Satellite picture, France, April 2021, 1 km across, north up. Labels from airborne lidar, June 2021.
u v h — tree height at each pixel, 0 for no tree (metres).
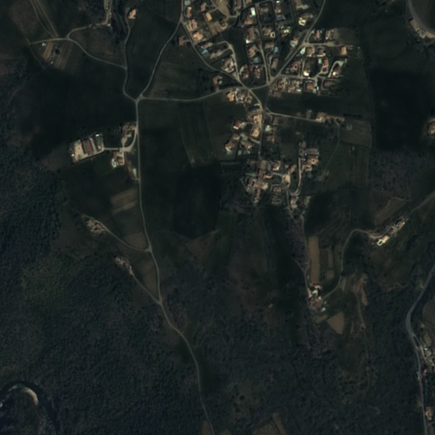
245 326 13
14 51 0
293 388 17
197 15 0
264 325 10
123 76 0
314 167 11
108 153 9
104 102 0
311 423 19
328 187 0
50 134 0
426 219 0
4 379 11
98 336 8
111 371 6
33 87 0
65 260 9
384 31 0
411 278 10
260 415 18
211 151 0
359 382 9
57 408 10
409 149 0
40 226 11
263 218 0
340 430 9
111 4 0
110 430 9
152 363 9
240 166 0
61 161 0
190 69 0
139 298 0
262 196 10
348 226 0
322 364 7
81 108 0
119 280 6
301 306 0
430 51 27
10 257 12
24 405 7
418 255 0
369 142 0
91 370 7
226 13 0
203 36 0
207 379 0
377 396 6
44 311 12
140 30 0
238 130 0
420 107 0
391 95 0
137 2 0
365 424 21
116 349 9
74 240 0
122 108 0
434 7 0
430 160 17
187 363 0
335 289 0
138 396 8
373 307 14
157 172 0
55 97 0
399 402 9
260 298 0
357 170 0
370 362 11
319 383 9
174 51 0
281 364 19
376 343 8
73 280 8
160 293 0
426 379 6
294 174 7
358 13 0
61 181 10
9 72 13
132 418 6
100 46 0
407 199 6
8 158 8
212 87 7
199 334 8
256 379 6
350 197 0
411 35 0
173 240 0
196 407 10
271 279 0
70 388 6
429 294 10
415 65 0
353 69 0
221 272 6
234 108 0
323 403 29
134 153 0
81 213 0
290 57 0
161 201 0
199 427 8
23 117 0
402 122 0
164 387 8
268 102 0
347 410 17
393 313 16
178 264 0
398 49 0
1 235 7
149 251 0
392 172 9
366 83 0
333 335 6
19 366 10
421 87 0
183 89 0
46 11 0
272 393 14
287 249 0
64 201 7
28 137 0
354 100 0
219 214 0
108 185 0
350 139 0
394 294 10
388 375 16
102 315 11
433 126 0
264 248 0
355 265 11
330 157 0
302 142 8
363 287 11
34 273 6
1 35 0
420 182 0
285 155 0
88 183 0
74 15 0
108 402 16
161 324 6
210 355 7
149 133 0
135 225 0
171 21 0
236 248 0
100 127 0
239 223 9
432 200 0
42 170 5
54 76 0
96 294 6
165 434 8
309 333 11
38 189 8
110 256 0
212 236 0
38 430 23
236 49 0
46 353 7
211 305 13
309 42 0
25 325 8
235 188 9
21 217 10
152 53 0
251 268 0
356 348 0
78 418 12
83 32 0
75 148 0
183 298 6
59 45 0
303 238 0
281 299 0
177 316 11
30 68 0
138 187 0
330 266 0
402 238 0
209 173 0
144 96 0
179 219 0
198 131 0
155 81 0
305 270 0
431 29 0
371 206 0
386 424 11
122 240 0
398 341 19
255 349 16
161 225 0
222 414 9
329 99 0
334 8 0
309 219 0
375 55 0
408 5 0
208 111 0
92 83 0
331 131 12
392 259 0
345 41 0
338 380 9
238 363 9
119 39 14
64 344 6
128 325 7
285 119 0
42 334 8
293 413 17
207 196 0
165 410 6
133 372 9
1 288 7
